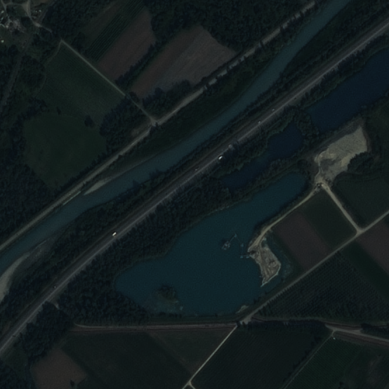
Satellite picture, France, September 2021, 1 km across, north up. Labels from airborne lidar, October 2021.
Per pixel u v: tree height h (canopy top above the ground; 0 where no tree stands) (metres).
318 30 0
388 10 14
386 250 0
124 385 0
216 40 24
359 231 0
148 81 0
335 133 7
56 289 0
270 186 0
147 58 14
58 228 0
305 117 18
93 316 17
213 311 0
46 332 27
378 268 0
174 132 6
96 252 0
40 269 7
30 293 26
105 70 0
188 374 0
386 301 0
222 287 0
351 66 22
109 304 27
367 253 0
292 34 12
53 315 24
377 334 18
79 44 6
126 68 0
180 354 0
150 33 0
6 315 9
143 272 0
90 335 0
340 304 19
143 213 0
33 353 7
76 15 12
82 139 0
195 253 0
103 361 0
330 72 0
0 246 0
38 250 0
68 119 0
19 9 0
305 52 7
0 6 0
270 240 0
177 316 9
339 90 0
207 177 18
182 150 0
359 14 21
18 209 22
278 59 0
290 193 0
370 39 0
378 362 0
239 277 0
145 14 0
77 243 6
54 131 0
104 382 0
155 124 0
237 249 0
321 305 16
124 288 0
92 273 17
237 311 0
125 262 15
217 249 0
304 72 7
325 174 0
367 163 10
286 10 25
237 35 22
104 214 18
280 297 0
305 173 11
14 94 8
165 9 22
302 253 0
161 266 0
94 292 16
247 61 9
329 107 0
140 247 19
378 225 0
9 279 0
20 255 0
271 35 0
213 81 0
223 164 17
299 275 0
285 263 0
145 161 0
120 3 0
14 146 12
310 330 24
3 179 10
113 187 0
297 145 0
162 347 0
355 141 0
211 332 0
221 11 19
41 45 21
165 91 0
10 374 25
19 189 17
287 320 0
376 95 0
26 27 11
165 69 0
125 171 0
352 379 0
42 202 20
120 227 0
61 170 0
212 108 5
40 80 9
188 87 20
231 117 0
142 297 0
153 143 6
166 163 0
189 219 19
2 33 0
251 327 18
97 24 0
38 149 0
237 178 0
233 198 11
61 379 0
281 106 0
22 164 21
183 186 0
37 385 0
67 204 0
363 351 0
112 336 0
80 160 0
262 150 12
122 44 0
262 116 0
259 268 0
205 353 0
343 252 0
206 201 20
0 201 11
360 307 19
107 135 20
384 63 0
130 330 0
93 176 0
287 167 20
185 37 0
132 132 0
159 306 0
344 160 0
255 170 0
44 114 21
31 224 0
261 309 0
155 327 0
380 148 6
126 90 13
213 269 0
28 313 0
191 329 0
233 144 0
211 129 0
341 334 0
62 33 25
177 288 0
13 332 0
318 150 0
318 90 16
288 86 8
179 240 0
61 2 22
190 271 0
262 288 0
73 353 0
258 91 0
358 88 0
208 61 0
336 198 0
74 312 35
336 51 14
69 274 0
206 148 6
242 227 0
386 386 0
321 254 0
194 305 0
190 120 7
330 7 0
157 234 21
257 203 0
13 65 12
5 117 9
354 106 0
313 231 0
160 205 0
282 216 0
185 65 0
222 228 0
